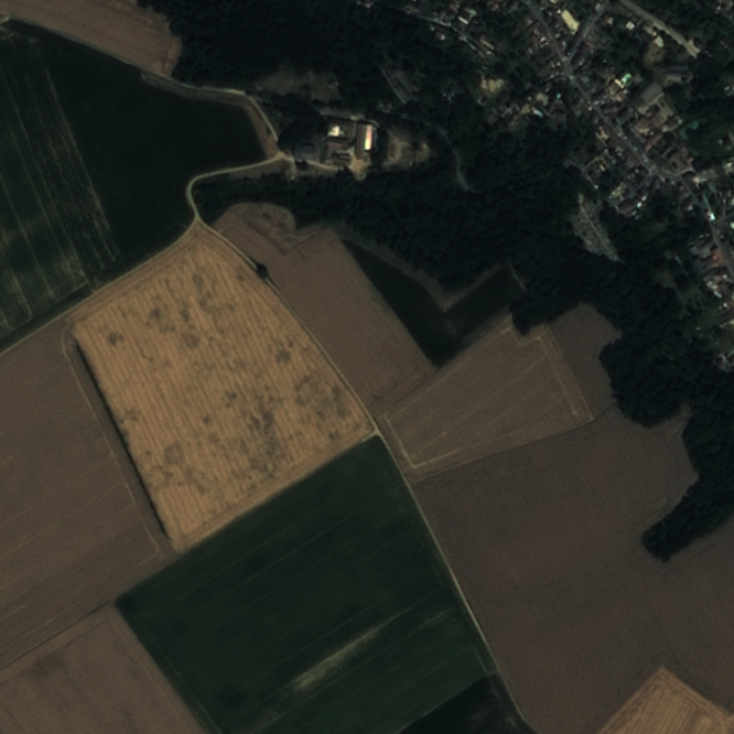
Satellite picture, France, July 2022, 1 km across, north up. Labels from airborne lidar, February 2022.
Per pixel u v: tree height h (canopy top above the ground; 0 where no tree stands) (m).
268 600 0
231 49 17
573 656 0
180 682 0
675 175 0
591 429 0
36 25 0
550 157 19
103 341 0
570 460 0
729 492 19
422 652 0
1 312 0
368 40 23
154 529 0
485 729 0
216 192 6
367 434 0
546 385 0
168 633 0
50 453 0
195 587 0
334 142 0
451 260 26
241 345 0
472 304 0
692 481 0
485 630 0
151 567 0
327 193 15
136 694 0
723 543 0
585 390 0
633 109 0
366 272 0
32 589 0
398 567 0
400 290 0
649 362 26
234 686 0
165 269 0
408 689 0
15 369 0
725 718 0
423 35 7
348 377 0
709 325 0
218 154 0
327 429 0
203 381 0
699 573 0
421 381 0
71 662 0
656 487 0
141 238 0
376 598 0
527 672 0
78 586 0
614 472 0
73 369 0
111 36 0
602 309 16
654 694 0
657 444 0
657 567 0
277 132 0
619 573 0
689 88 9
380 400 0
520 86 18
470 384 0
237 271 0
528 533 0
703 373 27
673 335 28
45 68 0
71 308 0
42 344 0
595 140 8
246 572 0
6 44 0
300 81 0
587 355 0
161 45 0
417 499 0
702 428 21
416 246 24
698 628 0
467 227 18
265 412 0
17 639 0
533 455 0
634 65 11
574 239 16
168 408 0
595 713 0
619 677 0
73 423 0
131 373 0
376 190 22
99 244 0
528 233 25
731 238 8
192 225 0
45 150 0
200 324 0
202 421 0
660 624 0
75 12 0
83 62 0
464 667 0
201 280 0
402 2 20
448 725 0
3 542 0
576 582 0
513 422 0
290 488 0
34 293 0
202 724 0
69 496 0
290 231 0
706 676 0
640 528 0
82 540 0
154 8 13
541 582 0
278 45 20
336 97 0
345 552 0
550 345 0
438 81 14
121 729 0
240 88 0
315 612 0
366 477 0
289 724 0
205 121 0
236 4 22
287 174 0
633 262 19
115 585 0
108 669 0
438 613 0
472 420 0
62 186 0
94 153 0
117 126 0
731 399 24
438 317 0
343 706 0
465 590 0
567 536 0
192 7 18
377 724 0
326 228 0
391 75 0
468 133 14
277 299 0
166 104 0
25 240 0
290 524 0
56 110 0
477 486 0
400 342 0
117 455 0
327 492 0
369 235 17
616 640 0
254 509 0
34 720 0
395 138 0
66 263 0
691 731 0
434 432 0
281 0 22
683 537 19
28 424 0
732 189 6
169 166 0
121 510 0
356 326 0
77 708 0
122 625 0
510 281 0
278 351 0
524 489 0
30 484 0
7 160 0
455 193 17
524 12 7
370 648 0
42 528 0
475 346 0
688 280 18
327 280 0
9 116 0
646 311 27
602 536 0
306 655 0
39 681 0
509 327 0
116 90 0
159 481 0
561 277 17
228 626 0
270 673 0
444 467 0
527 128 0
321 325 0
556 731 0
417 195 13
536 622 0
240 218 0
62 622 0
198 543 0
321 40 21
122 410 0
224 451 0
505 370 0
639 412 21
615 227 14
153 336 0
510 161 29
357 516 0
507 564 0
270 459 0
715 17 7
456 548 0
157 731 0
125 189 0
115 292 0
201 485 0
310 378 0
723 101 20
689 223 11
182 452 0
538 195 18
